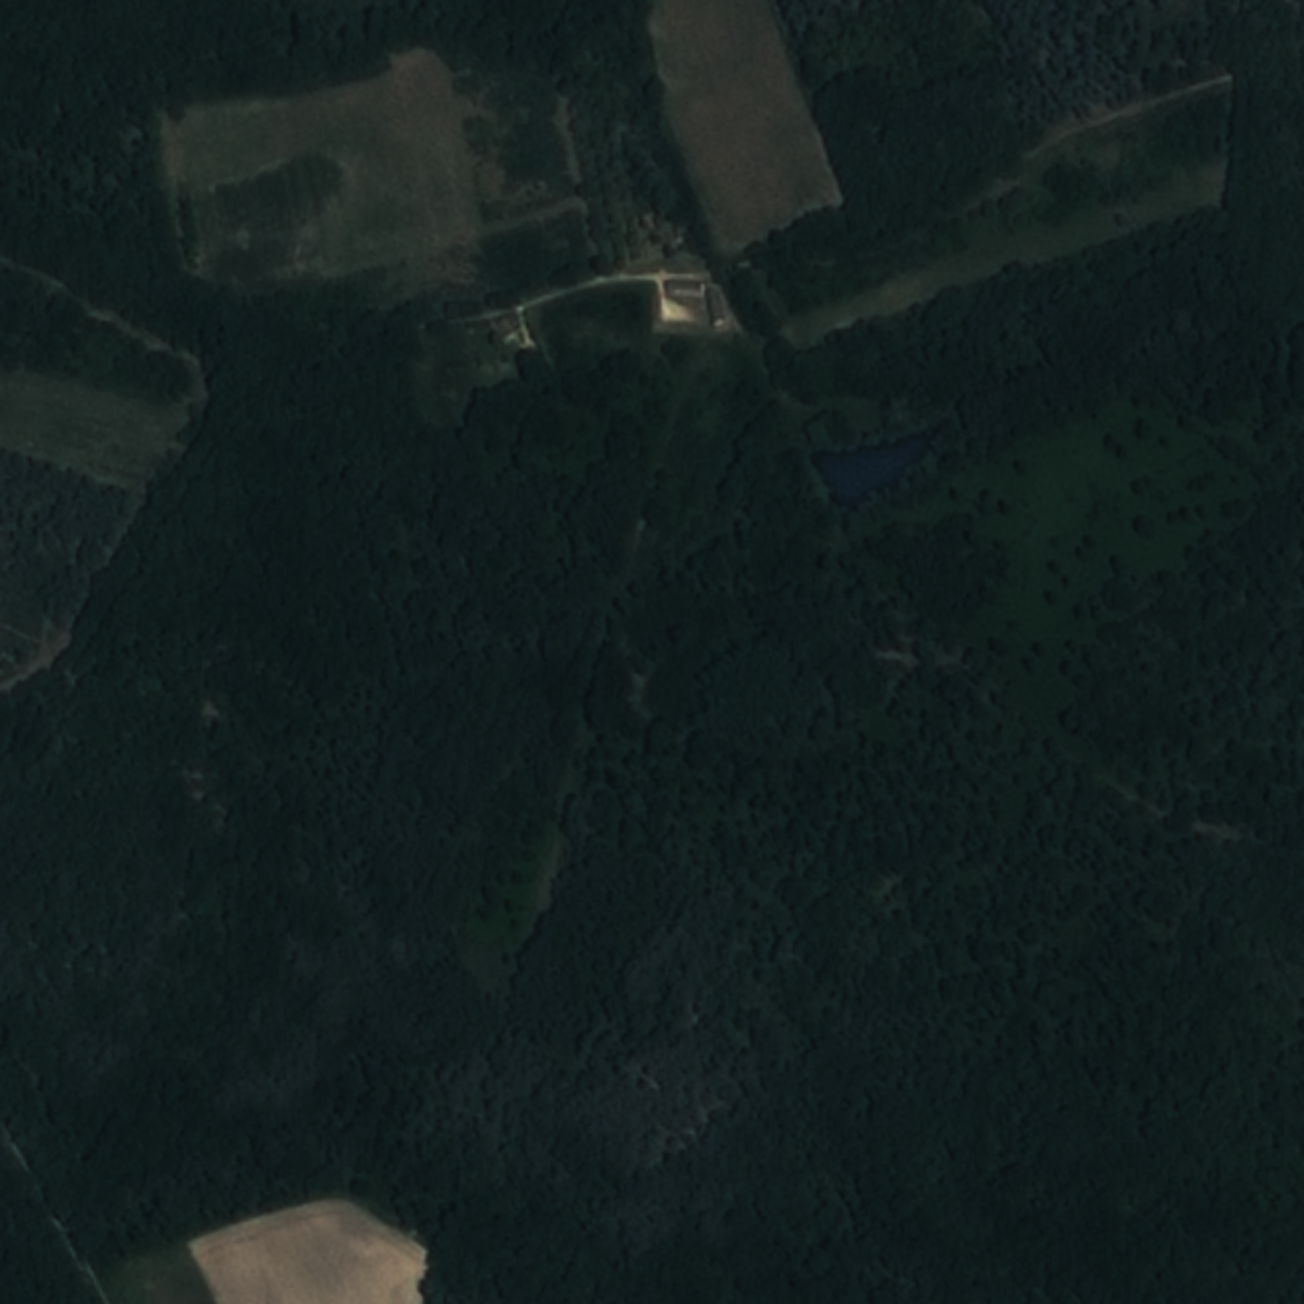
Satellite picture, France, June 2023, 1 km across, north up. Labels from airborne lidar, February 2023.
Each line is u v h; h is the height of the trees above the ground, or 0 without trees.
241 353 24
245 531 17
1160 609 7
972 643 0
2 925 21
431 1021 16
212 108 0
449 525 21
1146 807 16
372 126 0
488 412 20
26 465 15
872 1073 18
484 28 13
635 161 19
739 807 20
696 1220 15
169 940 18
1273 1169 19
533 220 0
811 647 22
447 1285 19
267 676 9
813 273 8
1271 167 16
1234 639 9
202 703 16
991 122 20
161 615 22
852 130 18
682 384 0
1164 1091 8
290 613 24
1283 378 7
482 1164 17
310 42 19
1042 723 0
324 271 0
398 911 17
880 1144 19
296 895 18
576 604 6
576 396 22
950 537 8
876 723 0
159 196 17
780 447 10
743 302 13
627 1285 19
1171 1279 22
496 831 6
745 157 0
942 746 19
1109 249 9
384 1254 0
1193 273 25
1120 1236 26
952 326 23
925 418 20
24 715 11
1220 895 18
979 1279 18
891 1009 16
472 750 19
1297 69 14
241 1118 19
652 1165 19
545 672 18
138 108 18
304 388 24
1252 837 15
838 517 13
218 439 15
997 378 28
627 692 22
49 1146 19
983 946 21
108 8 18
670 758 22
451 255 0
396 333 18
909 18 9
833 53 7
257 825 18
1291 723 11
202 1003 14
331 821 19
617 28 12
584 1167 19
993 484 0
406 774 20
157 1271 0
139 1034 17
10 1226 25
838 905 20
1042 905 17
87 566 15
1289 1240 20
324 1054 18
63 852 14
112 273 17
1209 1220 29
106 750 16
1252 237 19
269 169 0
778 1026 15
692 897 11
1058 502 0
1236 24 13
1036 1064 8
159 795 19
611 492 16
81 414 0
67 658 13
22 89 17
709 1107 17
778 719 25
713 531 9
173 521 16
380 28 18
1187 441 0
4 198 17
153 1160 26
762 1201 21
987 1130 23
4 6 18
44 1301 22
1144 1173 22
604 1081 18
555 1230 24
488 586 19
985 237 0
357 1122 19
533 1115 18
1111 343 23
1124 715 8
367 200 0
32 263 15
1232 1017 13
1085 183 8
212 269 0
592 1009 9
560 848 0
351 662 22
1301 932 21
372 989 17
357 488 25
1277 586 7
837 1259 27
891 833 20
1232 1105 17
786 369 12
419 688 20
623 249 7
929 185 22
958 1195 21
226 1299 0
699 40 0
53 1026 20
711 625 7
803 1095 15
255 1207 23
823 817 20
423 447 21
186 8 18
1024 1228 20
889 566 8
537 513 20
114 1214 28
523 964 19
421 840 19
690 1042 21
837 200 0
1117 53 28
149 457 0
